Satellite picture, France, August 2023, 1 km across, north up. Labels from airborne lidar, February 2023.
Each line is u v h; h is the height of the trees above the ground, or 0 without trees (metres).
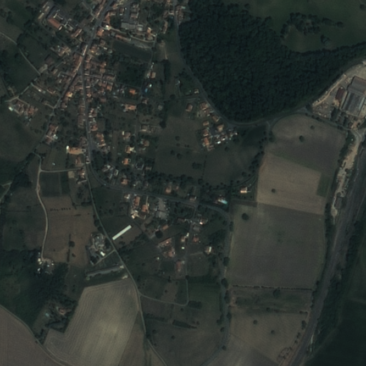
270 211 0
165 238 0
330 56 29
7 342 0
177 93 0
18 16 0
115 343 0
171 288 0
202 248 0
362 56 23
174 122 0
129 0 0
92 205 7
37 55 0
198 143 0
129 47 0
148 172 6
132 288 0
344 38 0
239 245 0
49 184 0
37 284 6
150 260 0
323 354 0
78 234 0
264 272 0
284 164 0
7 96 9
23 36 14
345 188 0
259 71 29
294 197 0
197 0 18
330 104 0
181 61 0
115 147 0
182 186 9
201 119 0
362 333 0
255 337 0
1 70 15
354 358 0
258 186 0
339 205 0
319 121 8
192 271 0
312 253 0
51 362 0
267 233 0
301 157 0
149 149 0
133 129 0
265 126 0
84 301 0
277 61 14
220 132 0
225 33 23
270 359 0
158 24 12
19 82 0
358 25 0
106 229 0
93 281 0
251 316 0
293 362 0
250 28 26
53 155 0
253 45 23
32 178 0
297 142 0
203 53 17
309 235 0
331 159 0
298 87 31
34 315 5
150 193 0
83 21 0
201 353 0
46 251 0
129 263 0
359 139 0
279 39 21
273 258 0
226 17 19
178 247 0
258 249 0
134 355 0
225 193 0
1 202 0
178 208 18
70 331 0
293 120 0
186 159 0
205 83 11
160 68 0
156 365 0
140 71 7
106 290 0
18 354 0
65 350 0
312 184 0
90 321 0
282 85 32
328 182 0
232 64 12
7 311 0
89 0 8
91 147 0
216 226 0
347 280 8
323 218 0
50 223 0
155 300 0
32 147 0
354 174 0
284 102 27
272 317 0
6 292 0
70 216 0
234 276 0
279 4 0
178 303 0
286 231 0
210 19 25
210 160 0
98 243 0
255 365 0
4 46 0
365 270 0
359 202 0
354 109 0
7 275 6
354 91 0
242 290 0
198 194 0
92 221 0
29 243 0
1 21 0
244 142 0
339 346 0
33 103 0
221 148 0
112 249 0
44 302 8
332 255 0
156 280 0
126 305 0
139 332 0
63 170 0
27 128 0
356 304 0
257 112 24
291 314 0
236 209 0
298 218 0
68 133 6
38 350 0
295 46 0
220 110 13
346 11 0
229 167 0
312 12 0
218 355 0
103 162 0
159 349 0
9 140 0
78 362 0
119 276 0
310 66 32
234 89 31
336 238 0
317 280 0
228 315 8
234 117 8
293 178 0
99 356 0
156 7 6
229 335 0
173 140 0
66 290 11
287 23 0
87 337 0
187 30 26
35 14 8
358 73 0
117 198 0
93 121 0
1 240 10
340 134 0
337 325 11
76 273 0
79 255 0
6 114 0
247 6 11
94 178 0
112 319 0
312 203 0
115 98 0
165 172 0
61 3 16
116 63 13
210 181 0
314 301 6
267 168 0
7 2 0
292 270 0
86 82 0
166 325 0
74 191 0
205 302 0
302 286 0
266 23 12
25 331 0
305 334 0
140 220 0
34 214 0
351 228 0
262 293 0
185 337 0
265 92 32
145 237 6
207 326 0
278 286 0
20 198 0
